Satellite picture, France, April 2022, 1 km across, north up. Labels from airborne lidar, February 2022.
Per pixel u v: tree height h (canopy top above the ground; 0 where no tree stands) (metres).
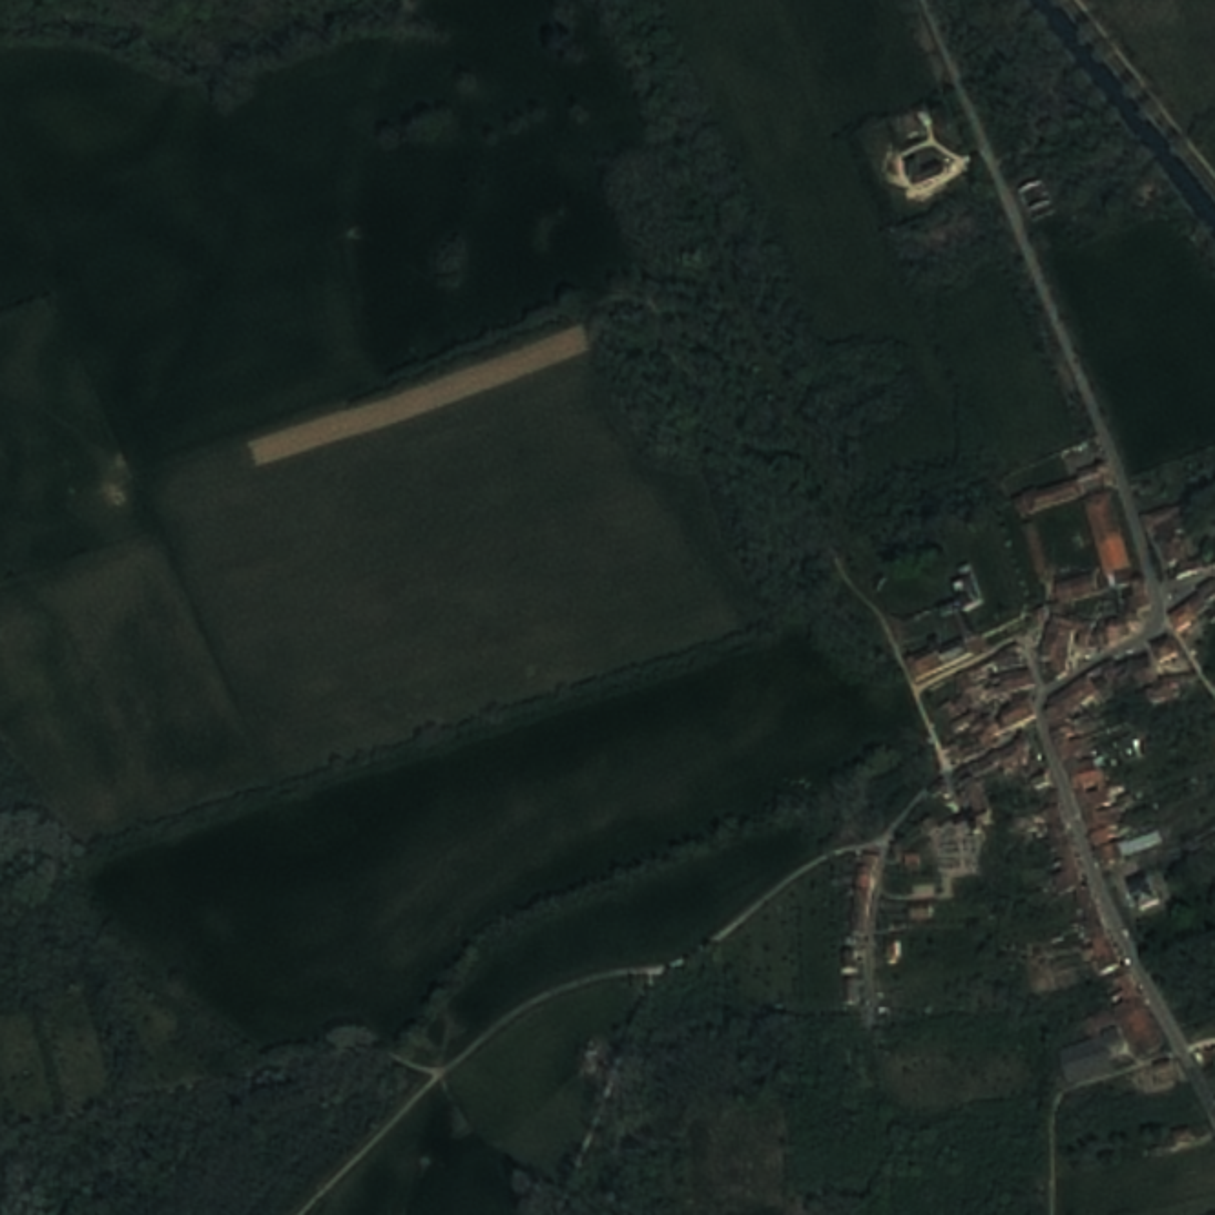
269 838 0
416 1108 0
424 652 0
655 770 0
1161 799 0
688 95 25
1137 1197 0
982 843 0
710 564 0
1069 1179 0
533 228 0
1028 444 0
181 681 0
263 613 0
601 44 0
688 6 0
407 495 0
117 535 0
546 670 0
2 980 20
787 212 0
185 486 0
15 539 0
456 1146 0
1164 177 17
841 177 0
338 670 0
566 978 0
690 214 6
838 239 0
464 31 0
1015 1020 16
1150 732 18
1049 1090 14
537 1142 0
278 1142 20
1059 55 13
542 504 0
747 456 33
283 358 0
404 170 0
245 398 0
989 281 0
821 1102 6
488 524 0
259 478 0
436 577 0
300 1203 10
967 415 7
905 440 0
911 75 0
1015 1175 8
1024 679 0
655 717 0
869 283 0
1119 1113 7
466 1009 0
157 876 0
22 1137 21
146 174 0
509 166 0
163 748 0
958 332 0
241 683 0
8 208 0
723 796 0
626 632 0
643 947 0
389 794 0
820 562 26
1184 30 0
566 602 0
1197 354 0
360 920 0
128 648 0
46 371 0
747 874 0
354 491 0
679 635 0
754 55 0
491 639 0
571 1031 0
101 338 0
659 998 8
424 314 0
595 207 0
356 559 0
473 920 0
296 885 0
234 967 0
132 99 0
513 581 0
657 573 0
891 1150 8
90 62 0
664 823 0
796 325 25
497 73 0
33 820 21
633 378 28
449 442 0
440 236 0
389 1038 0
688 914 0
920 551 11
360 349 0
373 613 0
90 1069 0
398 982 0
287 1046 8
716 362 30
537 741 0
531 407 0
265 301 0
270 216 0
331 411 0
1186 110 0
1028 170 12
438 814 0
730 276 20
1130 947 0
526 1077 0
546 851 0
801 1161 7
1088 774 0
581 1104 0
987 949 11
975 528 16
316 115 0
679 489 0
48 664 0
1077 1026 10
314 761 0
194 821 6
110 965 18
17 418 0
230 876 0
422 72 0
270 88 0
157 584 0
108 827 0
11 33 15
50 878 33
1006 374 0
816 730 0
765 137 0
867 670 23
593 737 0
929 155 0
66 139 0
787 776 0
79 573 0
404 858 0
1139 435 0
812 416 23
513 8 0
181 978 16
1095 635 0
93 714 0
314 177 0
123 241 0
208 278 0
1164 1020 0
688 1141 0
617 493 0
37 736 0
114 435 0
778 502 34
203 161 0
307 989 0
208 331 0
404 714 0
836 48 0
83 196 0
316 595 0
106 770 0
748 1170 0
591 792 0
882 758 22
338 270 0
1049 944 6
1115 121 15
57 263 0
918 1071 0
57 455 0
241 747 0
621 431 0
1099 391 10
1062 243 0
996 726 0
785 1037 16
